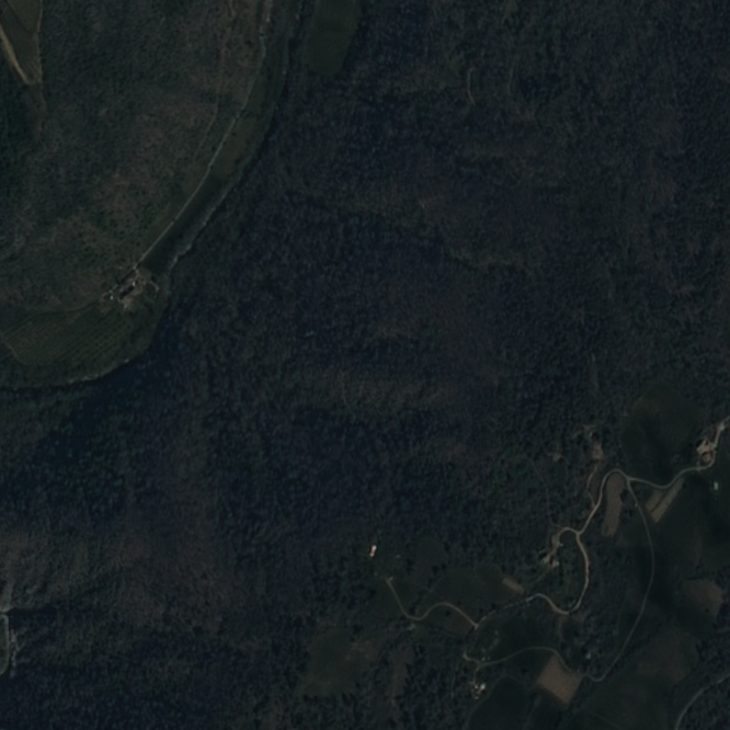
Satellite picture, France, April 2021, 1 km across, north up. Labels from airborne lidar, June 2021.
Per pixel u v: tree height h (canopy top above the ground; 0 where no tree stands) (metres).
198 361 22
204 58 9
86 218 11
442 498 15
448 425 8
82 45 7
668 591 0
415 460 8
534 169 16
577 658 0
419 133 12
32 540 8
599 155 23
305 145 20
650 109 9
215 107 9
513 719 0
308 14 12
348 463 10
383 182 14
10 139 8
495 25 15
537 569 7
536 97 17
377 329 14
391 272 12
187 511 10
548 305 16
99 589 8
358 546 7
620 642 0
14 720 9
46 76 10
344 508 10
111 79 7
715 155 10
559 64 15
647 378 9
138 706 15
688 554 0
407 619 10
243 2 17
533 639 0
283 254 27
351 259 11
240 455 7
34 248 14
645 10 6
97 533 9
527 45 8
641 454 0
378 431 17
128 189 10
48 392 10
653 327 17
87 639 8
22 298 14
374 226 6
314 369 10
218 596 11
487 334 15
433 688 8
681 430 0
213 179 0
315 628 19
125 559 8
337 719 14
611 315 16
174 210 0
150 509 14
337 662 0
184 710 11
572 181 19
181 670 8
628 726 0
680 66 10
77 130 7
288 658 20
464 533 13
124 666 18
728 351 8
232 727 12
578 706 6
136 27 7
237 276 22
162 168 8
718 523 0
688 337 14
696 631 0
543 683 0
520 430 11
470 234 13
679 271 12
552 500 7
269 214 27
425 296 12
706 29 7
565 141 15
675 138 11
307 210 18
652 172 11
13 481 11
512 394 9
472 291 20
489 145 14
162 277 13
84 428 9
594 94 16
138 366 22
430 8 18
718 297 10
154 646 7
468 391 9
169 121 8
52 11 7
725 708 10
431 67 14
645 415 0
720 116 10
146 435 15
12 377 20
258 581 6
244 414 15
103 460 7
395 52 10
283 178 27
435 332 8
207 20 11
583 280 16
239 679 16
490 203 16
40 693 7
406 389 12
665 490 0
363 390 10
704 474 0
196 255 6
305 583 7
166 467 10
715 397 9
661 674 0
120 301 7
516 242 11
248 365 16
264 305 21
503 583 0
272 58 16
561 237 16
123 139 6
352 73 17
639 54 11
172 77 8
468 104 17
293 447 7
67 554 10
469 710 7
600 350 17
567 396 13
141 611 12
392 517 8
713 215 9
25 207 6
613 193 15
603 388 17
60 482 8
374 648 0
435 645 0
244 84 11
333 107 18
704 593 0
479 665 0
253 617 12
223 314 8
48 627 6
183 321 13
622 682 0
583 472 6
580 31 7
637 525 0
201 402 19
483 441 10
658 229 10
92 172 10
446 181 16
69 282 11
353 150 7
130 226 7
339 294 13
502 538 9
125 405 9
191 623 9
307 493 10
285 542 8
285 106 21
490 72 16
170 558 12
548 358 19
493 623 0
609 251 12
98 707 15
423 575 0
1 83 8
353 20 0
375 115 11
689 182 11
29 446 9
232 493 15
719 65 7
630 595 0
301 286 26
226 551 14
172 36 6
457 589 0
